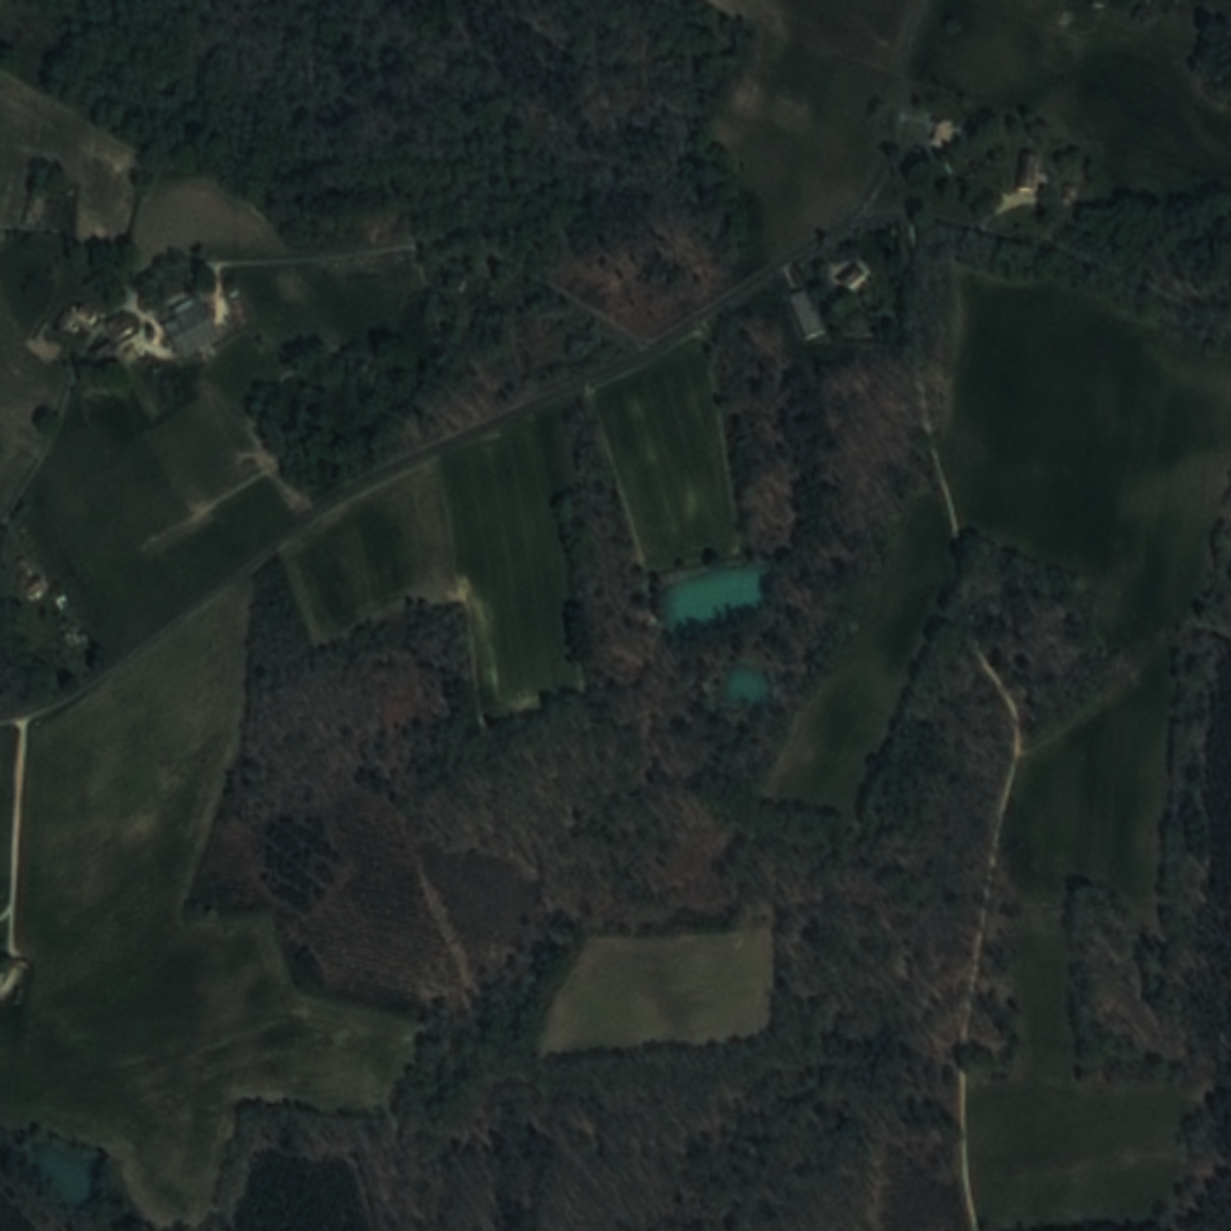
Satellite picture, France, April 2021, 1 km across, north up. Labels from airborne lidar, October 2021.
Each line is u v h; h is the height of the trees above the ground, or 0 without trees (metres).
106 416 0
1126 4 0
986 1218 0
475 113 19
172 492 0
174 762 0
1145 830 0
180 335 0
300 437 16
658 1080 19
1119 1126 0
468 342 8
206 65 7
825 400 15
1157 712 0
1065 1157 0
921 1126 23
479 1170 23
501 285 22
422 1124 25
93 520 0
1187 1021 11
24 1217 13
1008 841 14
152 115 7
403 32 22
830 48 0
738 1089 23
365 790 13
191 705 0
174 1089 0
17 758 0
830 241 9
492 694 0
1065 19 0
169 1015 0
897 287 7
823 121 0
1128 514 0
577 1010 0
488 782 18
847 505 15
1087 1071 19
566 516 18
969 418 0
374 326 0
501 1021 22
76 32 23
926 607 0
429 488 0
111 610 0
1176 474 0
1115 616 0
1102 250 21
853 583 27
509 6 24
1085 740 0
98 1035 0
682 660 23
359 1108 0
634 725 19
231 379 0
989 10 0
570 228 21
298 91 16
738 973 0
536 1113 15
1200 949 19
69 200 0
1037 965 0
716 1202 20
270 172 26
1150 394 0
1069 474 0
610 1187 23
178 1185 0
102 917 0
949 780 22
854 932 20
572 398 0
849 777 0
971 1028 18
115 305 14
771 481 17
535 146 17
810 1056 20
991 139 21
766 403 23
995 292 0
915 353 21
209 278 18
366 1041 0
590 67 14
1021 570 21
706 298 0
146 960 0
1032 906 0
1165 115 0
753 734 14
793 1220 16
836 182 0
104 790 0
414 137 13
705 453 0
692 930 9
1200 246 23
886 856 12
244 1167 12
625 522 11
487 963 0
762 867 17
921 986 13
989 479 0
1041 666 14
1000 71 0
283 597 8
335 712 15
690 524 0
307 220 13
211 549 0
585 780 20
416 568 0
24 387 0
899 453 21
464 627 12
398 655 11
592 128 12
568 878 15
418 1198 21
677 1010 0
